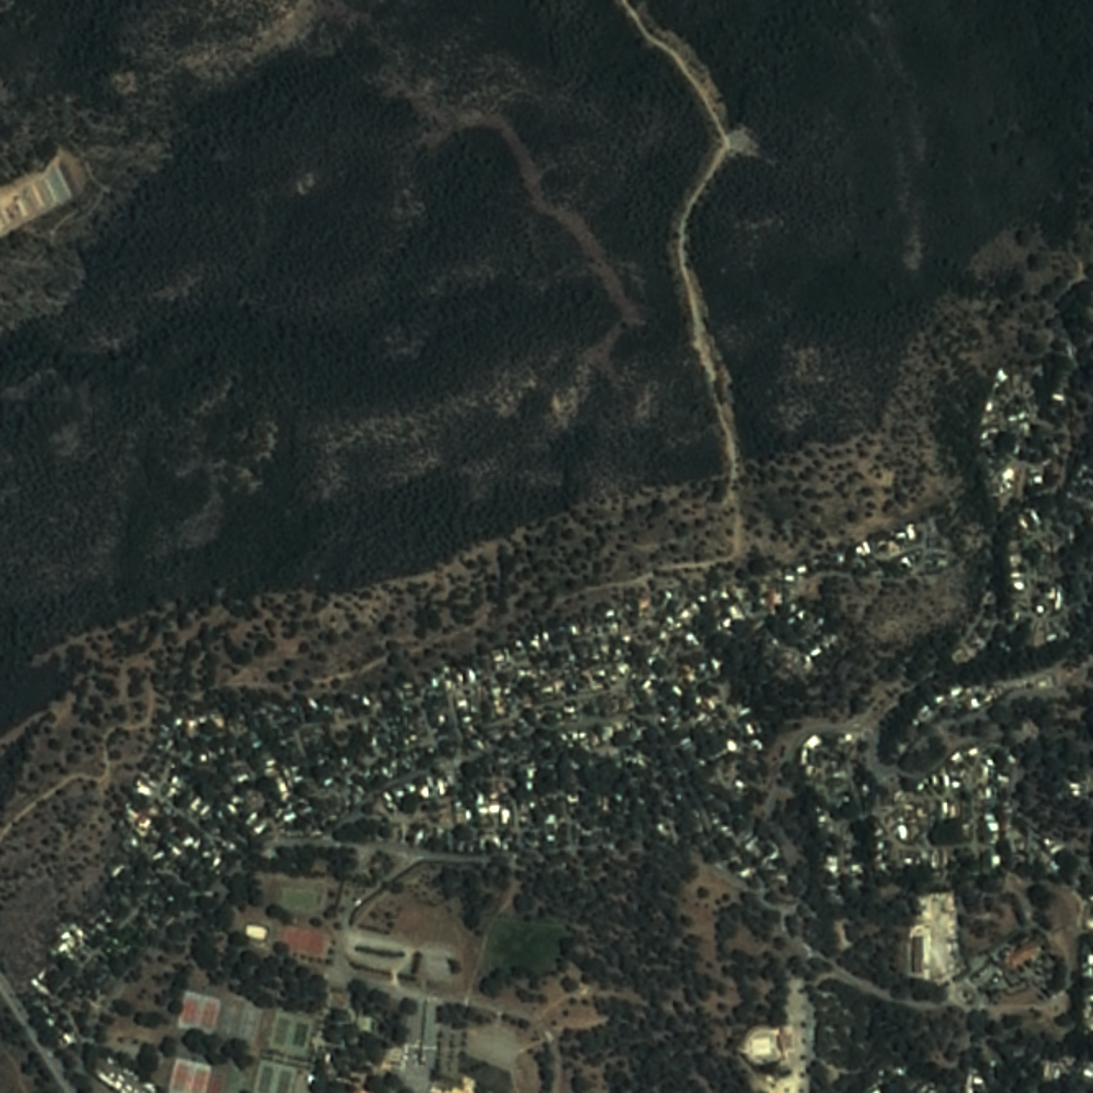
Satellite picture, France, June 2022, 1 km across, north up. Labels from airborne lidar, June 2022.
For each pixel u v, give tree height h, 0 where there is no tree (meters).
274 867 9
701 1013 11
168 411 5
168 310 13
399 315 13
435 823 7
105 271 15
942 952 0
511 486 9
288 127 10
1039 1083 12
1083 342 17
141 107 8
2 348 7
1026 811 10
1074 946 0
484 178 14
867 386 7
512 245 6
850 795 12
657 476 8
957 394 10
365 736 11
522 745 11
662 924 18
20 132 6
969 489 8
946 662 11
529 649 7
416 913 0
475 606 8
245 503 9
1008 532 11
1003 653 13
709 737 13
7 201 0
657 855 14
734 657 19
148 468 9
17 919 0
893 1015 14
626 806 14
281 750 9
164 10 6
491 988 16
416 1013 9
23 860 0
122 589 7
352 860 13
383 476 6
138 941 16
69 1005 13
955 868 11
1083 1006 11
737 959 13
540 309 10
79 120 6
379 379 12
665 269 10
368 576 12
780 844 18
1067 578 8
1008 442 17
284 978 14
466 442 7
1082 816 14
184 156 11
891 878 9
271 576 10
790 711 13
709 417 12
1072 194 9
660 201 14
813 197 10
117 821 7
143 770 8
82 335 12
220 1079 0
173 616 7
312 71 10
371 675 0
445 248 9
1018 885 0
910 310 9
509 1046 0
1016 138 11
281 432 6
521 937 0
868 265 6
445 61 6
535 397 9
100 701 7
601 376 7
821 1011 10
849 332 11
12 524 11
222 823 13
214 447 7
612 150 9
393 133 6
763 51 7
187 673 7
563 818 8
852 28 7
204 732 11
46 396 11
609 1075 9
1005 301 8
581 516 13
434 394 6
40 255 0
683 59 0
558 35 11
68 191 0
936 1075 10
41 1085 7
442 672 9
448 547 12
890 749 9
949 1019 12
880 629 0
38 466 8
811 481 13
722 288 5
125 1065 17
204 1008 0
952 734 8
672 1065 15
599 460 8
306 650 8
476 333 12
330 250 8
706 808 15
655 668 10
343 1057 17
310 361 13
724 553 12
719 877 0
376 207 6
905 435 12
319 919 7
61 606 12
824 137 7
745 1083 15
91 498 8
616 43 6
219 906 16
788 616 10
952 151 5
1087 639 9
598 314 11
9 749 9
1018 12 7
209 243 7
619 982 12
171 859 7
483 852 10
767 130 8
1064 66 14
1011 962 0
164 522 7
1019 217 6
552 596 8
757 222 8
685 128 8
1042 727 22
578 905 16
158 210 9
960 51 6
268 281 11
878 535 7
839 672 17
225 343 12
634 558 8
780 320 11
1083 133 8
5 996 0
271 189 9
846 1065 13
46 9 8
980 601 9
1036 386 10
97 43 14
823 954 12
